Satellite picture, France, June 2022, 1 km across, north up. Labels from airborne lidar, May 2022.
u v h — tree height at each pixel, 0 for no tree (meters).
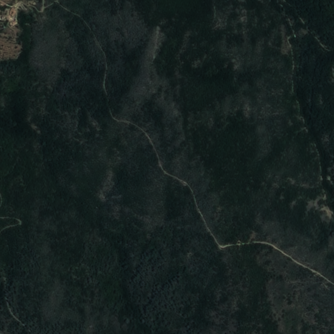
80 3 9
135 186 8
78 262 11
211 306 6
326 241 7
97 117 9
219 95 6
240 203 8
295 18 11
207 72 19
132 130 6
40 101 6
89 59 7
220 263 7
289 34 13
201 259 6
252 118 6
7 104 6
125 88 8
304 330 8
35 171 6
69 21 8
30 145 6
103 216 8
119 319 9
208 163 7
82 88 7
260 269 7
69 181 8
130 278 10
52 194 12
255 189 7
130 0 6
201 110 8
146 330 20
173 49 13
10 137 11
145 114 7
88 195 8
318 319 7
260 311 6
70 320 11
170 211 9
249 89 5
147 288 13
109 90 6
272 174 6
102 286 9
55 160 9
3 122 24
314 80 9
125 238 10
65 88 6
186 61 14
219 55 9
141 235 6
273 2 15
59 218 10
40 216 7
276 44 7
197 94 10
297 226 10
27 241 11
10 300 18
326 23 12
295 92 9
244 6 6
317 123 9
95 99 10
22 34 7
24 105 9
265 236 6
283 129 6
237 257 7
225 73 22
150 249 9
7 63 14
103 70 8
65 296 8
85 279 10
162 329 8
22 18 9
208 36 12
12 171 10
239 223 11
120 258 19
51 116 7
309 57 11
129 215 5
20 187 6
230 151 14
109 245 11
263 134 7
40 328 13
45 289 6
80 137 8
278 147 11
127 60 7
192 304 8
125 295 18
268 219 6
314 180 6
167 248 6
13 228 7
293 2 13
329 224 10
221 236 6
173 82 7
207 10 8
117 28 7
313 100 12
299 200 8
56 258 6
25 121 16
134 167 6
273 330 8
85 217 10
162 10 8
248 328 6
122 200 7
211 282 9
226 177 9
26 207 8
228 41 9
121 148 7
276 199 5
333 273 8
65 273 8
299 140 9
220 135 12
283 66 5
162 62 6
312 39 10
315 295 8
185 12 8
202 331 9
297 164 8
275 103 6
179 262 5
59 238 11
